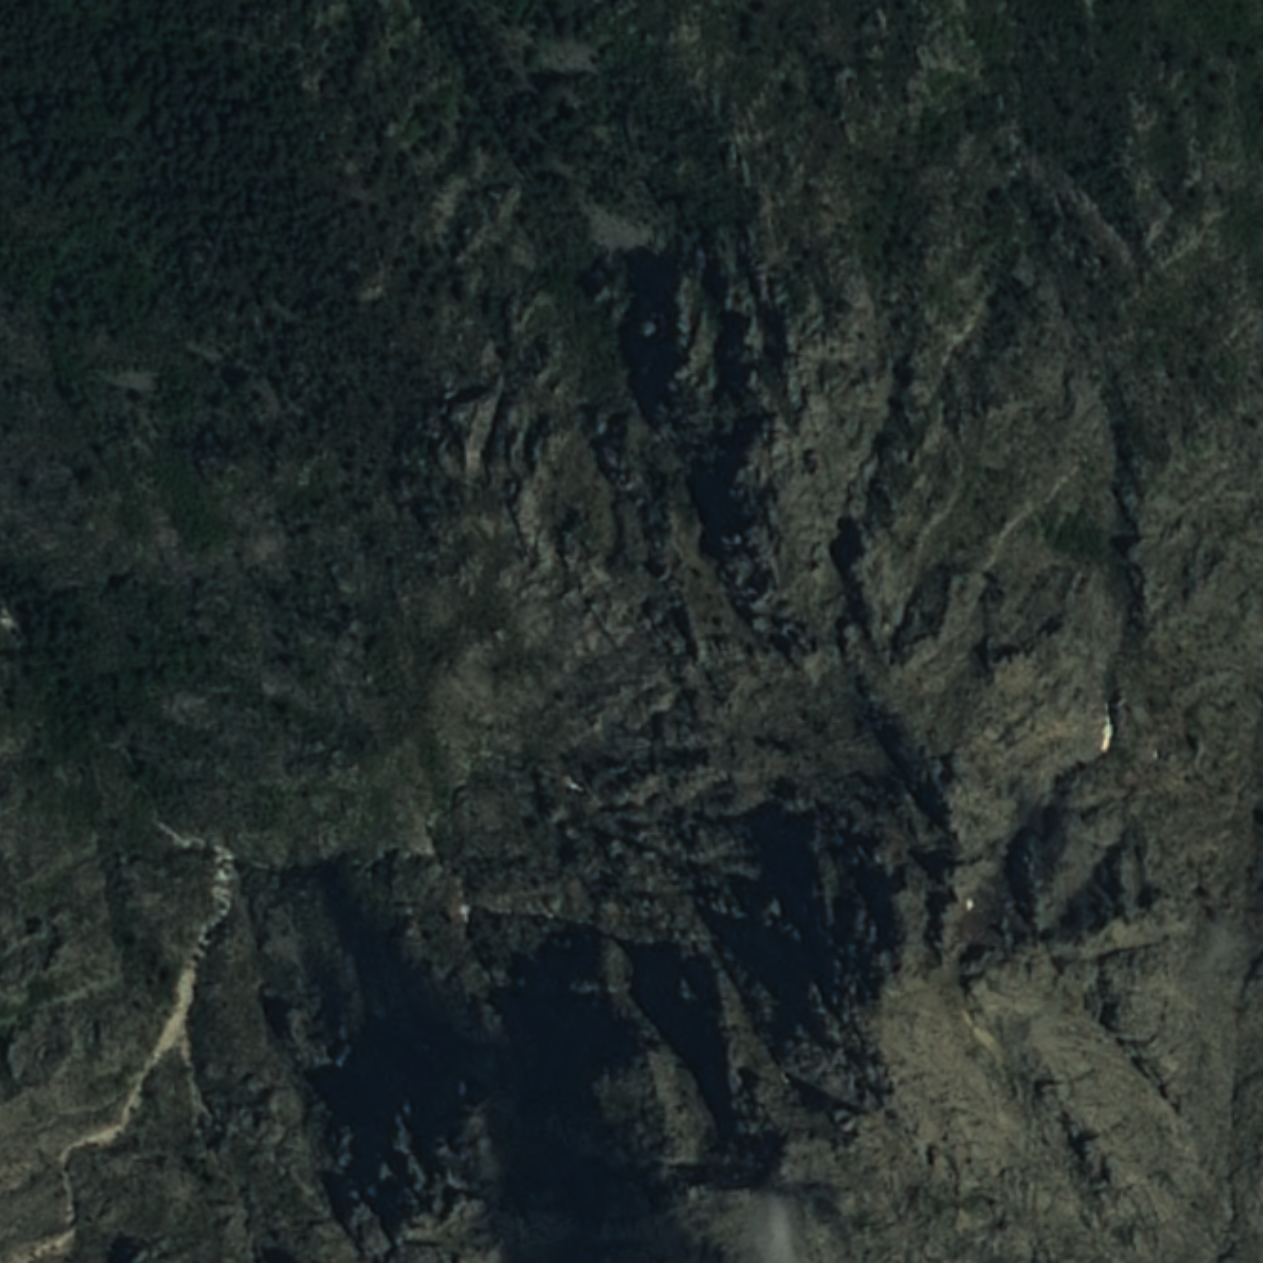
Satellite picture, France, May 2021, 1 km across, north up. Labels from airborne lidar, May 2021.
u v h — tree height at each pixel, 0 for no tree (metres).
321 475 8
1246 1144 0
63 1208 0
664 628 9
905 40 9
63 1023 9
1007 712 0
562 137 26
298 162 7
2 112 18
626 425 8
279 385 16
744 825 8
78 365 8
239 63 14
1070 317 10
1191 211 6
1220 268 7
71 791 7
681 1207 0
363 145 18
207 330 9
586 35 7
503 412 7
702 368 10
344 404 9
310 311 20
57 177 18
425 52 7
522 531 0
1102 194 8
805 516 0
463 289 21
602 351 12
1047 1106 0
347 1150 0
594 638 0
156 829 9
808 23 8
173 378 8
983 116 11
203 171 14
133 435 8
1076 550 7
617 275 19
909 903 0
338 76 25
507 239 6
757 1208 0
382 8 16
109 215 6
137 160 7
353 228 9
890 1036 0
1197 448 7
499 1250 0
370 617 7
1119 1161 0
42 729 15
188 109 22
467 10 15
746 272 6
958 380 12
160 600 8
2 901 7
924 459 7
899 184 15
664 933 15
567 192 26
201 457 12
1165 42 10
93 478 17
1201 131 8
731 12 7
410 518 9
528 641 0
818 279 10
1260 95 12
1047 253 8
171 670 9
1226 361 10
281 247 6
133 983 8
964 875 0
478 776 7
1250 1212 0
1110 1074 0
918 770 0
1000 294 8
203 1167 10
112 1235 0
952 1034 0
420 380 7
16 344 6
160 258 9
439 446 10
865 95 13
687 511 7
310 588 12
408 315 8
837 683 0
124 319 7
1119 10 17
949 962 0
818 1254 0
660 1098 0
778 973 0
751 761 0
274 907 8
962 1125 0
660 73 6
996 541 0
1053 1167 0
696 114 11
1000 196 22
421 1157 7
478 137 21
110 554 6
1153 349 14
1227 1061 0
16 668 7
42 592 23
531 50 10
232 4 22
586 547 13
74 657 22
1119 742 0
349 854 14
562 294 11
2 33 18
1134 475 7
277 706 9
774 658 0
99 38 31
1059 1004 0
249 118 25
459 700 0
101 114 22
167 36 18
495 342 14
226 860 0
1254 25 6
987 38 9
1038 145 8
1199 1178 0
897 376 9
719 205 8
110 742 7
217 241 16
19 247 9
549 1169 0
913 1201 8
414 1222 7
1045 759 0
